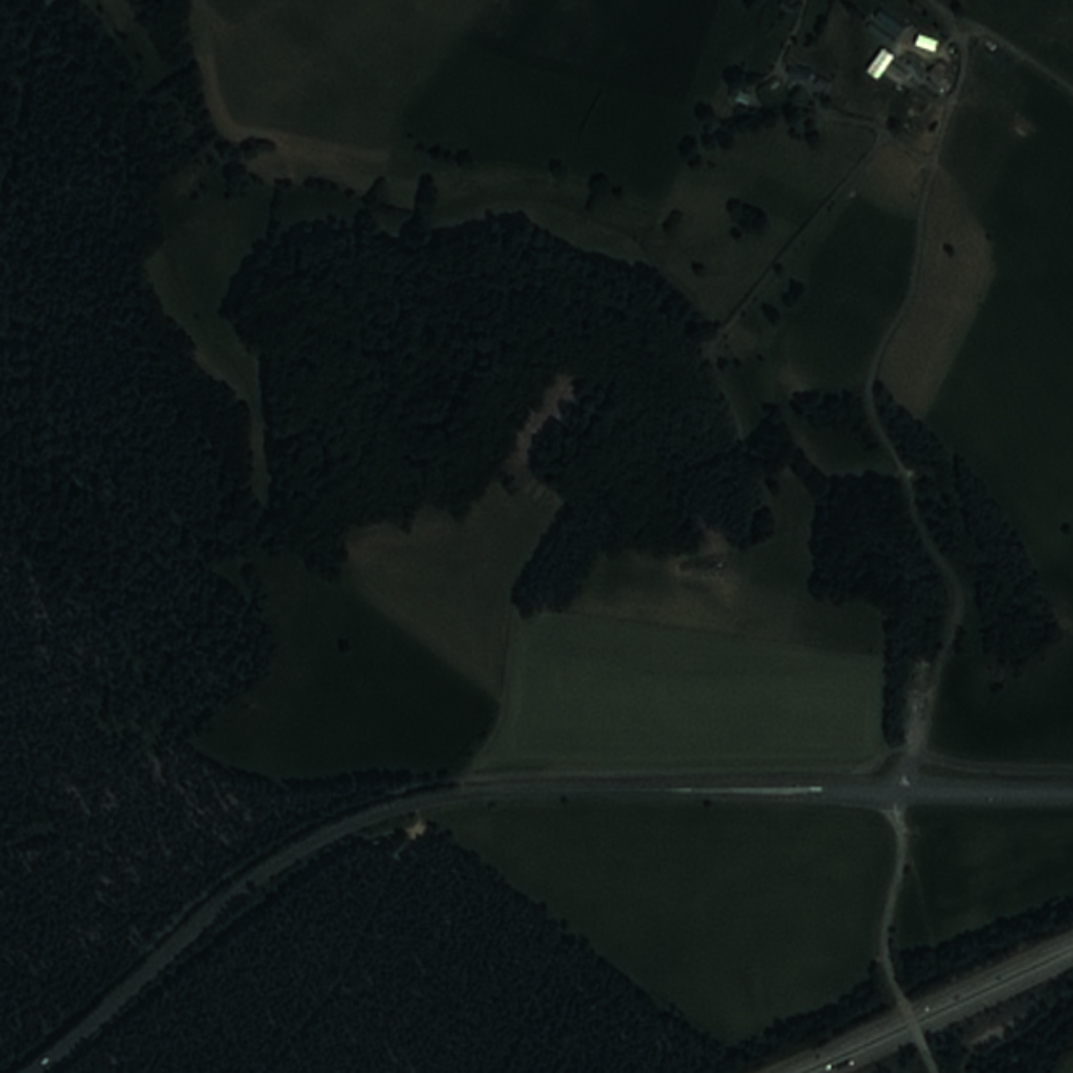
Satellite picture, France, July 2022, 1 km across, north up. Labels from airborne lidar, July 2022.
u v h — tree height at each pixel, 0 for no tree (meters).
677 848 0
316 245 24
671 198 0
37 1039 17
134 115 24
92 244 19
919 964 19
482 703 0
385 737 0
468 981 10
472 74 0
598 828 0
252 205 0
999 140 0
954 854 0
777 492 17
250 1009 22
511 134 0
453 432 24
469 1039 19
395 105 0
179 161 16
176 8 25
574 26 0
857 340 0
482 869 18
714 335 12
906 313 0
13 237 20
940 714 0
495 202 0
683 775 0
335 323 22
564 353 21
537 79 0
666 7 0
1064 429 0
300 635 0
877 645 0
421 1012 14
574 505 16
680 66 0
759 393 0
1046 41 0
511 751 0
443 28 0
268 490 0
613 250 0
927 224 0
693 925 0
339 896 12
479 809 0
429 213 20
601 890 0
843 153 0
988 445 0
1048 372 0
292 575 0
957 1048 11
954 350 0
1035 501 0
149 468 18
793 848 0
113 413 29
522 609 23
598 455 23
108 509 22
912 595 16
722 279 0
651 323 27
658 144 0
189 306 0
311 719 0
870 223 0
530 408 14
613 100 0
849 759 0
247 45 0
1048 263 0
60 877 16
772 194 0
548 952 21
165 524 25
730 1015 0
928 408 0
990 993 0
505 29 0
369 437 19
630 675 0
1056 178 0
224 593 22
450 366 12
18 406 8
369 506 19
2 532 11
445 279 24
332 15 0
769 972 0
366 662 0
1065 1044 16
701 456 19
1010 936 16
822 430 11
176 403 19
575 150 0
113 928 23
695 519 31
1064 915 18
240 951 13
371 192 6
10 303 22
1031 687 0
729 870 0
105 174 25
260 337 25
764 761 0
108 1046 14
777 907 0
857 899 0
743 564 0
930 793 0
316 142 0
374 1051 15
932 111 0
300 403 24
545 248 21
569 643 0
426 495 21
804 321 0
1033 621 13
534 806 0
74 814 20
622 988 23
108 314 24
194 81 13
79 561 23
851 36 0
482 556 0
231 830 24
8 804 21
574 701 0
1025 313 0
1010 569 16
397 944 16
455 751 0
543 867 0
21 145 25
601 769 0
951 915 0
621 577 0
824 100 12
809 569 0
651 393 22
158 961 0
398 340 21
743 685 0
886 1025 0
